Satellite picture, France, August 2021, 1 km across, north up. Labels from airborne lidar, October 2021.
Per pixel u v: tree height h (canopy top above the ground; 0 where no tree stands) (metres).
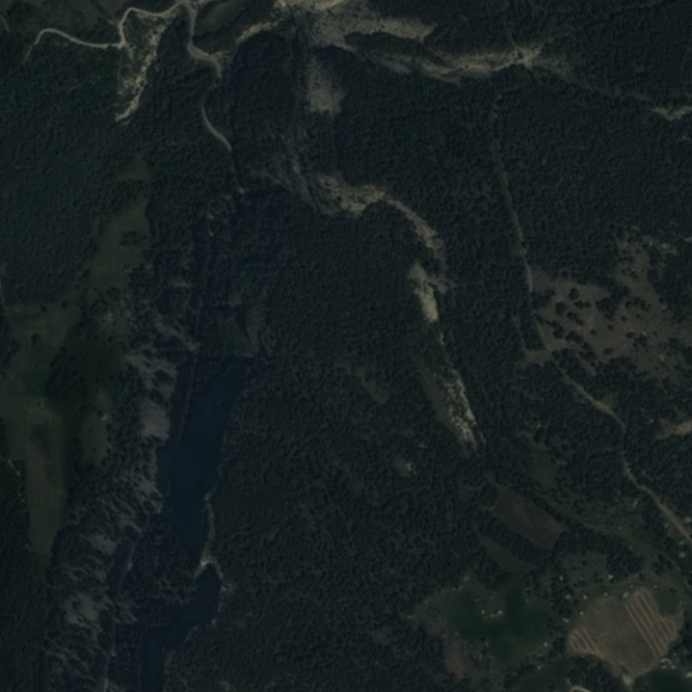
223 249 21
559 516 10
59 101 9
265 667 10
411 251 10
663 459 10
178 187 13
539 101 9
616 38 16
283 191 23
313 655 20
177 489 21
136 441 10
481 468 8
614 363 9
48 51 11
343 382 10
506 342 11
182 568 18
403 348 8
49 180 11
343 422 6
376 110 13
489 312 11
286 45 19
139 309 8
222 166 9
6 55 10
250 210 17
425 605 0
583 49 12
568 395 9
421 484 8
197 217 14
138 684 18
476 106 12
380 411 10
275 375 12
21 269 10
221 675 9
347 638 8
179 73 12
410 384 8
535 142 9
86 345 0
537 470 0
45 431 0
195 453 20
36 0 0
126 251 0
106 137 8
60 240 10
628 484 7
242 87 18
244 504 13
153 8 7
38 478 0
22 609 12
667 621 0
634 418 8
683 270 6
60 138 10
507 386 8
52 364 8
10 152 13
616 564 10
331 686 9
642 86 16
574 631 0
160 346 17
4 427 9
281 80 20
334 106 0
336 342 14
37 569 7
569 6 13
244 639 12
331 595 10
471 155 21
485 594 0
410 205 8
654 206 7
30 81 11
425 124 19
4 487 10
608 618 0
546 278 0
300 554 9
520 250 0
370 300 12
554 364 8
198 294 18
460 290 8
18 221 10
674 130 9
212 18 0
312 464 17
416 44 16
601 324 0
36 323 0
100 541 0
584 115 12
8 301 7
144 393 16
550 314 0
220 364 16
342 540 14
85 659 17
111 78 8
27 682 7
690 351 8
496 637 0
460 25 16
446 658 0
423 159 18
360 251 11
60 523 0
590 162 7
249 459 12
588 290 0
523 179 7
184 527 19
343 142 17
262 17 8
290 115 19
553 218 9
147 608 19
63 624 13
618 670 0
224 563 10
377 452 12
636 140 8
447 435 8
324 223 12
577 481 8
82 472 20
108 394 0
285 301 15
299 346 11
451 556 12
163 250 8
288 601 10
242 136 19
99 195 10
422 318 6
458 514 12
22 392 0
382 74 7
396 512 7
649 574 0
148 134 10
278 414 15
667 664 0
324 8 0
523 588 0
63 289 12
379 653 11
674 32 14
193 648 8
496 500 9
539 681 0
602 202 13
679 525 0
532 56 0
